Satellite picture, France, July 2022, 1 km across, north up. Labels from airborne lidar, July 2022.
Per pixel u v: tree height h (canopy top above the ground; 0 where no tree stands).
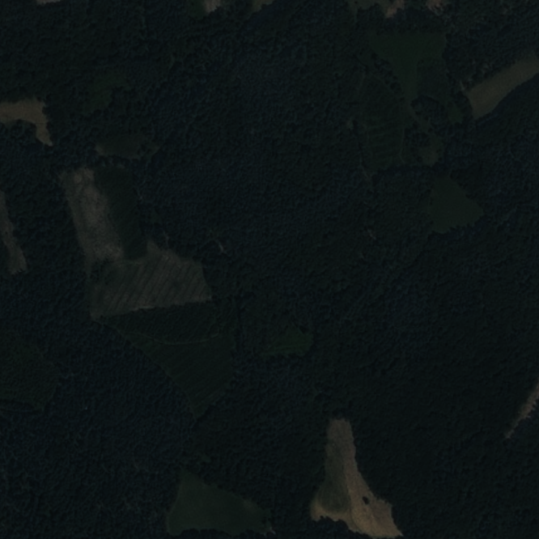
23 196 26
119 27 25
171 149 19
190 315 7
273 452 15
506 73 0
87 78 20
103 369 15
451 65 26
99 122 17
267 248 21
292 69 21
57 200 10
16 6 16
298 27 21
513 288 21
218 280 29
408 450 24
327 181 23
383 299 24
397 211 22
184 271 0
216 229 19
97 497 17
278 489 16
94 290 0
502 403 23
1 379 8
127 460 21
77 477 17
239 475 19
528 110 20
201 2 0
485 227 25
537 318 18
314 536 23
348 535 23
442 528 15
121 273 0
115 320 6
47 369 7
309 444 26
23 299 7
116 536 25
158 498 20
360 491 0
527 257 19
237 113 23
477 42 25
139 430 24
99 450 19
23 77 27
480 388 26
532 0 25
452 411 24
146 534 23
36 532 17
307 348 0
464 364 28
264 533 0
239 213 25
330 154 23
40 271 19
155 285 0
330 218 21
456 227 0
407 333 19
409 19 24
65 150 27
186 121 28
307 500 26
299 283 25
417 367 26
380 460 30
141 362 20
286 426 19
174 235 20
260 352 14
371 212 26
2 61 27
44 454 12
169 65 9
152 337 5
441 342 24
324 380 19
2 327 16
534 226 17
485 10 24
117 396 20
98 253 0
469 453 26
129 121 13
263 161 19
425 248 35
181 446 22
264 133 24
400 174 29
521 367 15
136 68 25
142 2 11
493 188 29
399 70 0
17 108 0
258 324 25
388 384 24
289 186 23
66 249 24
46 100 16
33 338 15
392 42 0
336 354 26
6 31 16
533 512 22
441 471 21
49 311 27
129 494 21
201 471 13
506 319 23
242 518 0
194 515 0
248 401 12
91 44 25
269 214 24
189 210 28
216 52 16
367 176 9
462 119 0
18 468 26
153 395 18
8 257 22
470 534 16
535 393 0
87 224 0
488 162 25
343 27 24
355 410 25
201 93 24
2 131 25
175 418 26
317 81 22
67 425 19
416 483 23
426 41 0
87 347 21
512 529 21
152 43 21
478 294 22
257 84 24
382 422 23
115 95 18
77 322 25
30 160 24
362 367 21
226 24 13
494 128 23
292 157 23
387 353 23
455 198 0
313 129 24
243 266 26
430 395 25
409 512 20
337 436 0
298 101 24
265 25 30
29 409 17
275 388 20
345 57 27
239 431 13
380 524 0
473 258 24
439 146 0
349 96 26
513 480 22
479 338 25
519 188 23
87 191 0
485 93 0
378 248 20
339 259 21
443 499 19
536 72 0
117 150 0
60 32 21
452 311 22
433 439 23
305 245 23
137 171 23
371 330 17
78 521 21
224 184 23
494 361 30
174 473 15
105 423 13
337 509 0
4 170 20
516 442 24
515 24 23
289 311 22
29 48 22
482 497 17
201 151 22
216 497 0
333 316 22
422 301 29
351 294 24
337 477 0
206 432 15
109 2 22
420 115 11
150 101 21
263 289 22
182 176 25
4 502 23
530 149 17
